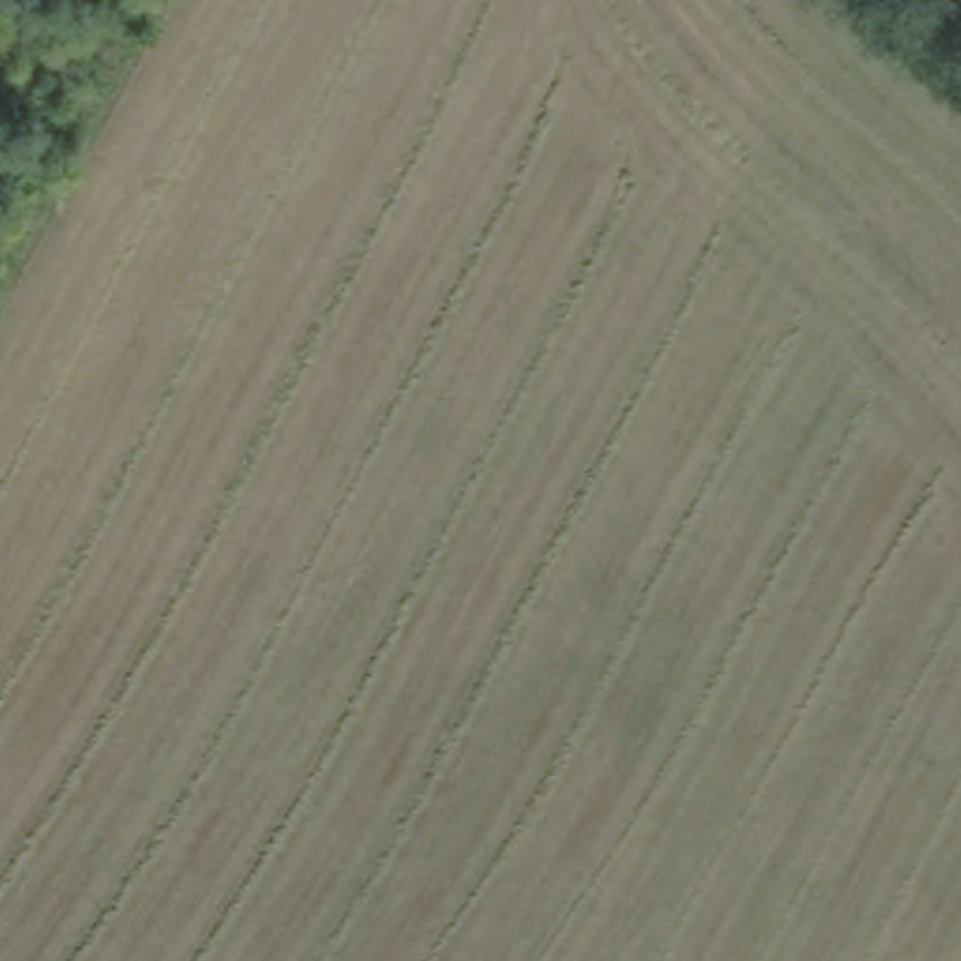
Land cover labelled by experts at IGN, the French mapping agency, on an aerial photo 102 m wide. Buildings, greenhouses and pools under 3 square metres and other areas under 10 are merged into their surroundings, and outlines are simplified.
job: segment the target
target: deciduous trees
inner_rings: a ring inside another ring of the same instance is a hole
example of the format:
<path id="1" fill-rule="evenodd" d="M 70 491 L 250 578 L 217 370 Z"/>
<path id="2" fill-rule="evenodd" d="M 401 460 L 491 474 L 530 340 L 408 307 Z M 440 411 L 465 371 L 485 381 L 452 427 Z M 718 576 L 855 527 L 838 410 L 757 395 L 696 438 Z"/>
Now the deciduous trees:
<path id="1" fill-rule="evenodd" d="M 961 109 L 961 0 L 837 0 L 848 15 L 852 34 L 871 56 L 908 68 L 908 75 L 923 83 L 938 101 Z"/>

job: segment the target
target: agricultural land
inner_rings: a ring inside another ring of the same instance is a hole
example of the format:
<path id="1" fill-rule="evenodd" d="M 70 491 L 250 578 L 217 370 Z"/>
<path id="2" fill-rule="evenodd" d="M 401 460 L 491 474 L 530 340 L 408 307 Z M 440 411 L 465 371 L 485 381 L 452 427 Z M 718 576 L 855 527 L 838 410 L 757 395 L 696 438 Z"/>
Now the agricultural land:
<path id="1" fill-rule="evenodd" d="M 26 248 L 26 270 L 19 285 L 0 297 L 0 961 L 961 961 L 961 109 L 938 101 L 923 83 L 908 75 L 908 68 L 871 56 L 852 34 L 848 15 L 837 0 L 180 0 L 176 8 L 169 8 L 169 19 L 154 30 L 154 41 L 139 53 L 131 79 L 116 98 L 113 120 L 101 128 L 101 135 L 79 143 L 79 188 L 68 203 L 56 203 L 64 229 L 53 240 L 41 240 L 34 252 Z"/>

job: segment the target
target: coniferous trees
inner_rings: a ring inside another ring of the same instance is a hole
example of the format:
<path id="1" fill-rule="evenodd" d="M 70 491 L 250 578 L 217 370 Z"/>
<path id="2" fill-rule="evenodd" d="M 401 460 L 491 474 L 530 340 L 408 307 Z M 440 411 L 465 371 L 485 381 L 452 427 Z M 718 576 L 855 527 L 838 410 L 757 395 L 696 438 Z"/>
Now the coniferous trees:
<path id="1" fill-rule="evenodd" d="M 101 135 L 101 128 L 113 120 L 116 98 L 131 79 L 139 53 L 154 41 L 154 30 L 169 19 L 169 8 L 176 8 L 180 0 L 0 0 L 0 297 L 19 285 L 26 270 L 26 248 L 34 252 L 41 240 L 53 240 L 64 229 L 56 203 L 68 203 L 79 188 L 79 143 Z"/>

